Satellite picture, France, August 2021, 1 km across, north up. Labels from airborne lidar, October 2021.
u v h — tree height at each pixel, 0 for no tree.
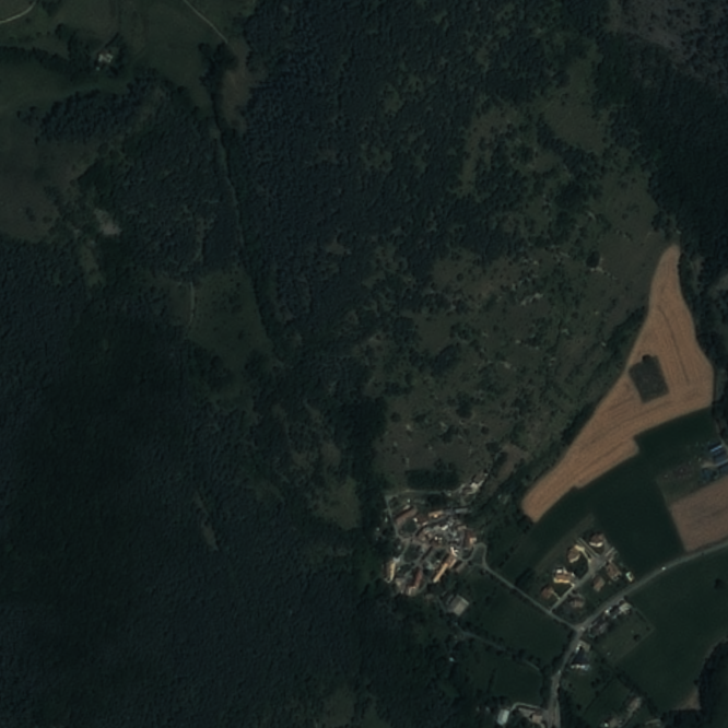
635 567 0
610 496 0
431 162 12
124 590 17
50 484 27
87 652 19
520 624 0
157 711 16
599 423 0
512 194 10
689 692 0
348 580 17
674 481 0
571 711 12
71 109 18
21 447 17
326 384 11
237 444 9
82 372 10
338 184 10
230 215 15
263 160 9
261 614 14
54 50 0
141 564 14
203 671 19
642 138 12
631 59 7
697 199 18
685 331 0
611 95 14
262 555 11
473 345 8
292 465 9
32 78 0
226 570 14
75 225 8
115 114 9
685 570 0
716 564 0
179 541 16
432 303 7
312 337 10
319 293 12
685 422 0
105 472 20
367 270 13
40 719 12
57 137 8
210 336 0
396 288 11
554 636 0
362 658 7
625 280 0
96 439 16
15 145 0
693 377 0
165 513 15
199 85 0
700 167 14
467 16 14
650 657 0
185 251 12
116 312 13
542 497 0
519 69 7
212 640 17
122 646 17
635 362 0
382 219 15
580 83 0
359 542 17
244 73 0
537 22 6
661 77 8
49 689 14
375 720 0
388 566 0
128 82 0
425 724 10
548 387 7
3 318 14
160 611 16
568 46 5
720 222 10
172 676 16
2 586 11
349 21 17
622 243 0
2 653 18
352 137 16
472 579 0
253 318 0
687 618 0
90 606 22
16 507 17
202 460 14
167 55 0
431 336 0
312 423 13
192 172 13
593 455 0
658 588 0
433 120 9
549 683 8
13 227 0
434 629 0
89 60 11
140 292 11
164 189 17
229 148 16
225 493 16
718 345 13
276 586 12
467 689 21
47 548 24
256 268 15
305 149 14
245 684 13
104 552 17
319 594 17
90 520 24
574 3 22
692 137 11
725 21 9
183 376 15
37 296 18
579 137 0
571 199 7
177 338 13
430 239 9
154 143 16
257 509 7
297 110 17
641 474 0
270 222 17
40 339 18
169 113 9
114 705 15
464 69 9
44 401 18
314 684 11
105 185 14
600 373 10
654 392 0
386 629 18
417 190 14
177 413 16
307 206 15
